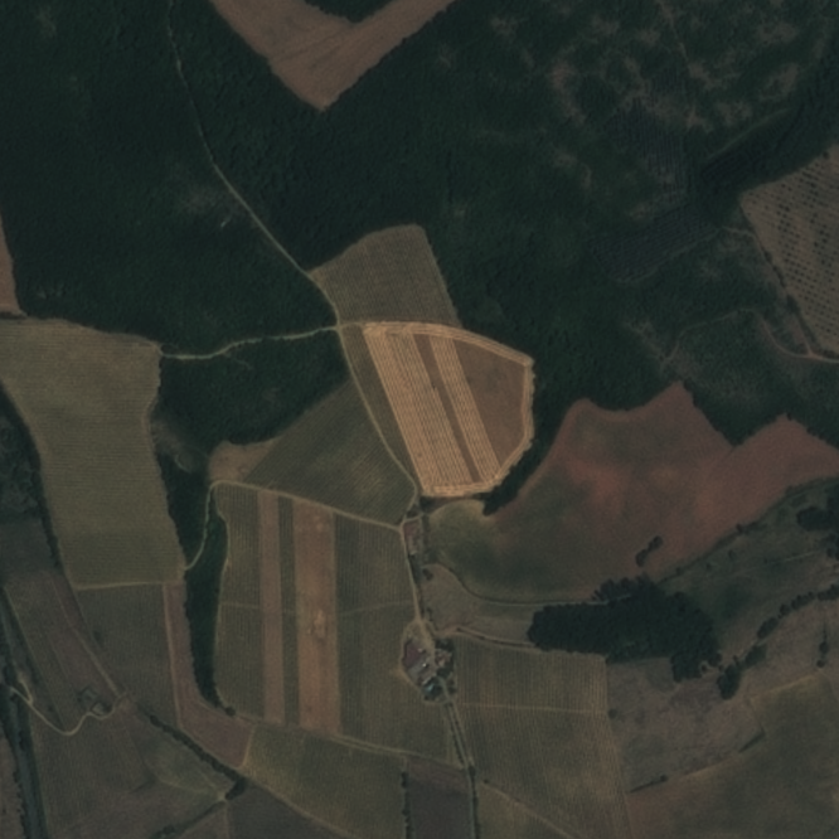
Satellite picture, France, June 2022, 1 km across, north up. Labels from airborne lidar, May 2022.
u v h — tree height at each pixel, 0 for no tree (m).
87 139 6
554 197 10
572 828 0
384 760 0
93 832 0
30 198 10
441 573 0
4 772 0
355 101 12
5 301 0
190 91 11
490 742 0
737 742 0
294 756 0
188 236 11
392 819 0
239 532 0
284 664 0
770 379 6
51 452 0
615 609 21
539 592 0
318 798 0
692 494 0
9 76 9
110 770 0
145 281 9
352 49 0
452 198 15
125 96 19
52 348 0
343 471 0
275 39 0
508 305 18
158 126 20
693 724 0
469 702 0
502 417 0
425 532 0
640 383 6
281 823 0
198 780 0
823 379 7
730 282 7
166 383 13
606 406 6
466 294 6
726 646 0
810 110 16
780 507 0
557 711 0
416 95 11
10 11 7
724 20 7
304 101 10
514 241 12
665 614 24
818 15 7
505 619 0
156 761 0
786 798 0
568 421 0
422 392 0
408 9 0
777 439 0
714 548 0
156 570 0
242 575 0
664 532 0
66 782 0
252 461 0
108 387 0
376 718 0
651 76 6
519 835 0
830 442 9
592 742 0
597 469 0
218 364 8
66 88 8
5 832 0
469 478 0
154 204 10
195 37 10
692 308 7
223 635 0
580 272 6
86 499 0
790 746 0
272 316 9
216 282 9
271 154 15
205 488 11
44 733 0
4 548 0
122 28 11
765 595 0
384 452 0
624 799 0
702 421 0
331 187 14
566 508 0
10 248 10
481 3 11
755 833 0
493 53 6
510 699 0
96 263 10
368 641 0
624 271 11
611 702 0
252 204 7
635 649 8
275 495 0
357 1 11
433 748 0
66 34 13
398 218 17
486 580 0
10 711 9
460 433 0
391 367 0
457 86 8
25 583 0
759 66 6
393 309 0
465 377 0
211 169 9
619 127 10
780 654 0
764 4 6
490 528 0
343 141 16
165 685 0
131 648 0
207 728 0
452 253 6
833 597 11
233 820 0
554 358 7
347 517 0
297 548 0
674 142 10
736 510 0
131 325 10
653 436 0
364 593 0
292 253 11
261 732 0
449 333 0
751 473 0
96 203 9
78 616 0
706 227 11
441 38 9
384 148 14
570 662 0
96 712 0
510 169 6
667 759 0
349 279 0
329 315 8
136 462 0
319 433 0
